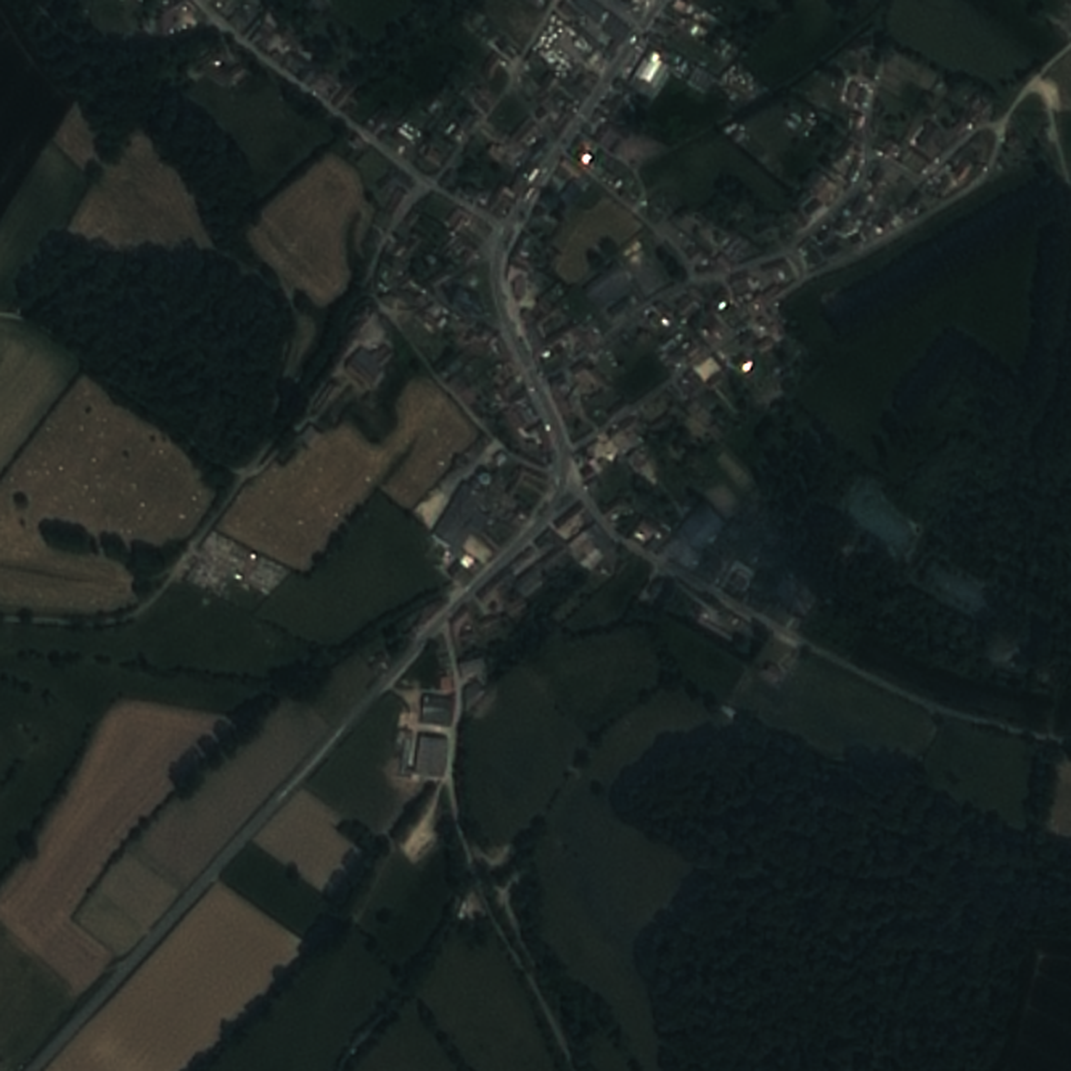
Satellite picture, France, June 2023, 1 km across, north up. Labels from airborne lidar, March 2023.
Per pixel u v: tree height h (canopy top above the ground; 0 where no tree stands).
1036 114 0
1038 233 0
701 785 23
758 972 25
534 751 0
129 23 0
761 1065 25
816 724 0
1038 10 15
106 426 0
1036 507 24
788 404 15
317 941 25
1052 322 38
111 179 0
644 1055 0
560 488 0
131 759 0
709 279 0
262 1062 0
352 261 0
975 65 0
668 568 0
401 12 0
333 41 15
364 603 0
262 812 0
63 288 26
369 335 0
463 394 0
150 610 0
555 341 0
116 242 0
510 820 0
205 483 0
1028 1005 0
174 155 24
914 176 0
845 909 28
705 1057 21
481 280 0
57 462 0
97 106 27
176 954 0
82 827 0
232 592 0
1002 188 0
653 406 0
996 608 29
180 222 0
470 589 0
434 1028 10
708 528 0
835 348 0
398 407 0
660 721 0
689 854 19
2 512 0
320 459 0
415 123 0
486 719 0
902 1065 24
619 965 0
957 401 7
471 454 0
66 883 0
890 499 7
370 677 0
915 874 32
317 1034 0
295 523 0
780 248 0
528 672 0
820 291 0
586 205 0
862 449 0
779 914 26
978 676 9
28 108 0
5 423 0
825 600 6
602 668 0
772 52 0
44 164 0
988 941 15
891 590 20
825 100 0
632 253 0
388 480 0
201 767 25
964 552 13
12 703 0
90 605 0
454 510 0
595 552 0
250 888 0
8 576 0
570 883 0
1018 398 30
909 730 0
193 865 0
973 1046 24
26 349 0
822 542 35
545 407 0
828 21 0
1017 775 0
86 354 17
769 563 15
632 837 0
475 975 0
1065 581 16
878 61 8
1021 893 28
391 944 0
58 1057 0
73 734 0
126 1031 0
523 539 0
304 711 0
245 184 23
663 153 0
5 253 0
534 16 0
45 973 0
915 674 0
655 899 0
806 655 12
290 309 16
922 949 26
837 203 0
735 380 7
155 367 27
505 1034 0
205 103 0
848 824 32
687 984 24
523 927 8
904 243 0
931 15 0
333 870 0
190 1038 0
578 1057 21
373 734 0
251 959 0
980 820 11
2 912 0
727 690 0
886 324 0
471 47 0
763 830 29
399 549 0
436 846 0
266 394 16
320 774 0
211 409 25
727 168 0
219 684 7
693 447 9
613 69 0
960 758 0
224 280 24
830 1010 23
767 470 8
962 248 36
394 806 0
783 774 28
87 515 0
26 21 7
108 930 0
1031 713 0
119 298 17
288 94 13
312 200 0
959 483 8
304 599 0
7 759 0
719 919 27
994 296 0
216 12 0
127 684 0
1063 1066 0
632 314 0
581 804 0
